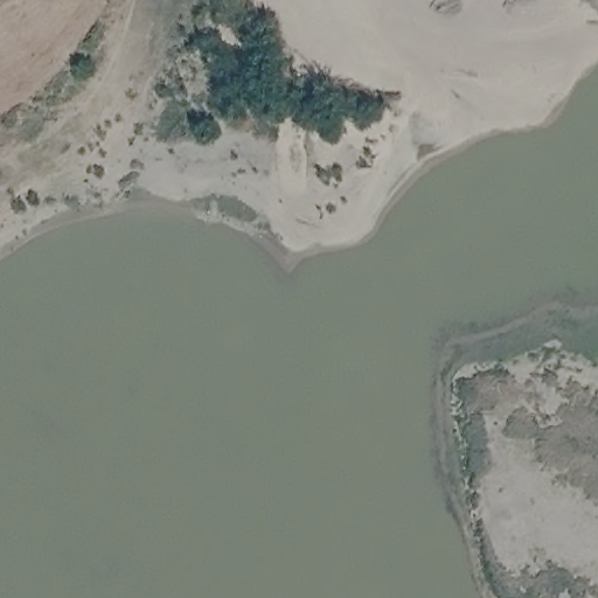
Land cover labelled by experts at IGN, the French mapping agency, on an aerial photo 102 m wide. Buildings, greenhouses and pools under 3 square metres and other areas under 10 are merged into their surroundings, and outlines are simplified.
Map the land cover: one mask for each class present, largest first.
<instances>
[{"label":"water","instance_id":"1","mask_svg":"<svg viewBox=\"0 0 598 598\"><path fill-rule=\"evenodd\" d=\"M544 304H565L572 308L598 306V65H593L575 84L568 100L551 112V119L547 124L523 131L491 133L446 154L437 166L420 173L404 189V194H399L383 210L376 229L364 241L348 248H332L318 255H306L297 262L294 269H285L283 264H278V259L264 245H259L252 236L243 231H236L227 224L182 217L157 208H131L96 220L63 224L30 238L28 243H23L21 248L0 259V598H484L481 589L477 586L467 537L463 533V521L446 491L441 472L437 441L439 357L449 339L505 327L507 322L535 313Z\"/></svg>","mask_w":598,"mask_h":598},{"label":"bare soil","instance_id":"2","mask_svg":"<svg viewBox=\"0 0 598 598\"><path fill-rule=\"evenodd\" d=\"M252 16L257 9H269L276 14L283 37V51L285 56H292L297 75L325 72L329 77L343 79V84L348 86H360L367 91H399V100L388 103L383 117L367 128H357L353 119H346L343 133L336 142L322 140L320 133L306 131L297 126L292 119H285L280 124L278 140L257 138L255 133L231 128L220 133L217 140L208 145H201L196 140H159V119L138 121L133 131L121 124V114H114L117 126H112L110 119L100 121L96 126L98 138L77 150V154L98 152V161L93 166H86L84 192H79L77 196H37V192H28L26 196H19L14 201H0V259L21 248L23 243H28L30 238L63 224L96 220L131 208H157L182 217L227 224L236 231H243L252 236L259 245H264L278 259V264H283L285 269H294L297 262L306 255H318L332 248H348L364 241L376 229L383 210L399 194H404V189L420 173L437 166L446 154L491 133L523 131L547 124L551 119V112L568 100L575 84L593 65H598V0H241ZM505 369L509 371L507 381L500 383V378L495 376L486 378L477 388L474 399L467 404L470 413L479 411L484 416L488 437L491 470L477 479L479 502L472 512L484 521V530L495 554V561L502 563L505 570H521L523 565H528L530 572H540L542 568H547L549 561H554L556 565L568 568L572 577H586L591 584L598 586V367H591V362L582 355L568 353L561 341H544L537 343V348H528L519 357V362H505Z\"/></svg>","mask_w":598,"mask_h":598},{"label":"herbaceous vegetation","instance_id":"3","mask_svg":"<svg viewBox=\"0 0 598 598\"><path fill-rule=\"evenodd\" d=\"M124 5L128 7L126 16L124 21H114L105 30L100 42L105 44L107 56L96 68V72L86 79L84 89L70 103H58L56 121H49L37 138L0 147V201H14L19 196H26L28 192H37V196H77L79 192H84L86 166H93L98 161V152L77 154V150L98 138L96 126L100 121L110 119L112 126H117L114 114H121V124L133 131L138 121L159 119L166 105L187 100L192 110L206 112L210 119H215L220 133L231 128L217 107L208 105V72L201 61V51H185L175 58L166 56L168 47H180L185 42L178 35L175 23L180 14L182 26L194 30L192 5L187 0H124ZM206 28L217 30L222 42L231 47L238 44L236 33L229 26L213 21L210 14H203ZM544 341H561L568 353L582 355L591 362V367H598V306L572 308L565 304H544L535 313L507 322L505 327L449 339L439 357L437 441L441 472L446 491L463 521V533L467 537L477 586L481 589L484 598H598V586L591 584L586 577H572L568 568L556 565L554 561H549L547 568H542L540 572H530L528 565H523L521 570H505L502 563L495 561V554L484 530V521L472 512L479 502L477 479L491 470L488 437L484 416L479 411L470 413L467 404L474 399L477 388L486 378L495 376L500 378V383L507 381L509 371L505 369V362H519V357L528 348H537V343Z\"/></svg>","mask_w":598,"mask_h":598},{"label":"deciduous trees","instance_id":"4","mask_svg":"<svg viewBox=\"0 0 598 598\"><path fill-rule=\"evenodd\" d=\"M192 5L194 30L182 26L180 14L175 23L178 35L185 42L180 47H168L166 56L175 58L185 51H201V61L208 72V105L217 107L231 128L255 133L257 138L278 140L280 124L285 119H292L297 126L306 131L320 133L322 140L336 142L343 133L346 119H353L357 128H367L383 117L388 103L399 100V91H367L360 86H348L343 84V79L329 77L325 72L297 75L292 56H285L283 51V37L276 14L269 9H257L252 16L241 0H187ZM203 14H210L213 21L229 26L236 33L238 44L231 47L222 42L217 30L206 28ZM72 77L86 79L96 72V68L91 56H82L79 65L70 63ZM220 133L215 119H210L206 112L192 110L187 100L166 105L159 119V140H196L201 145H208L217 140Z\"/></svg>","mask_w":598,"mask_h":598},{"label":"plowed land","instance_id":"5","mask_svg":"<svg viewBox=\"0 0 598 598\"><path fill-rule=\"evenodd\" d=\"M100 14V7L93 0H0V114L16 103H28L35 93L44 89V84L58 70H63L70 63V56L77 51V44Z\"/></svg>","mask_w":598,"mask_h":598},{"label":"brushwood","instance_id":"6","mask_svg":"<svg viewBox=\"0 0 598 598\"><path fill-rule=\"evenodd\" d=\"M100 7V14L77 44V51L70 56V63L79 65L82 56H91L96 68L107 56L105 44L100 42L105 30L114 21H124L126 16L128 7L124 5V0H93ZM86 79L72 77L70 63L63 70H58L44 84V89L35 93L28 103H16L0 114V147L37 138L49 121H56L58 103H70L84 89Z\"/></svg>","mask_w":598,"mask_h":598}]
</instances>
